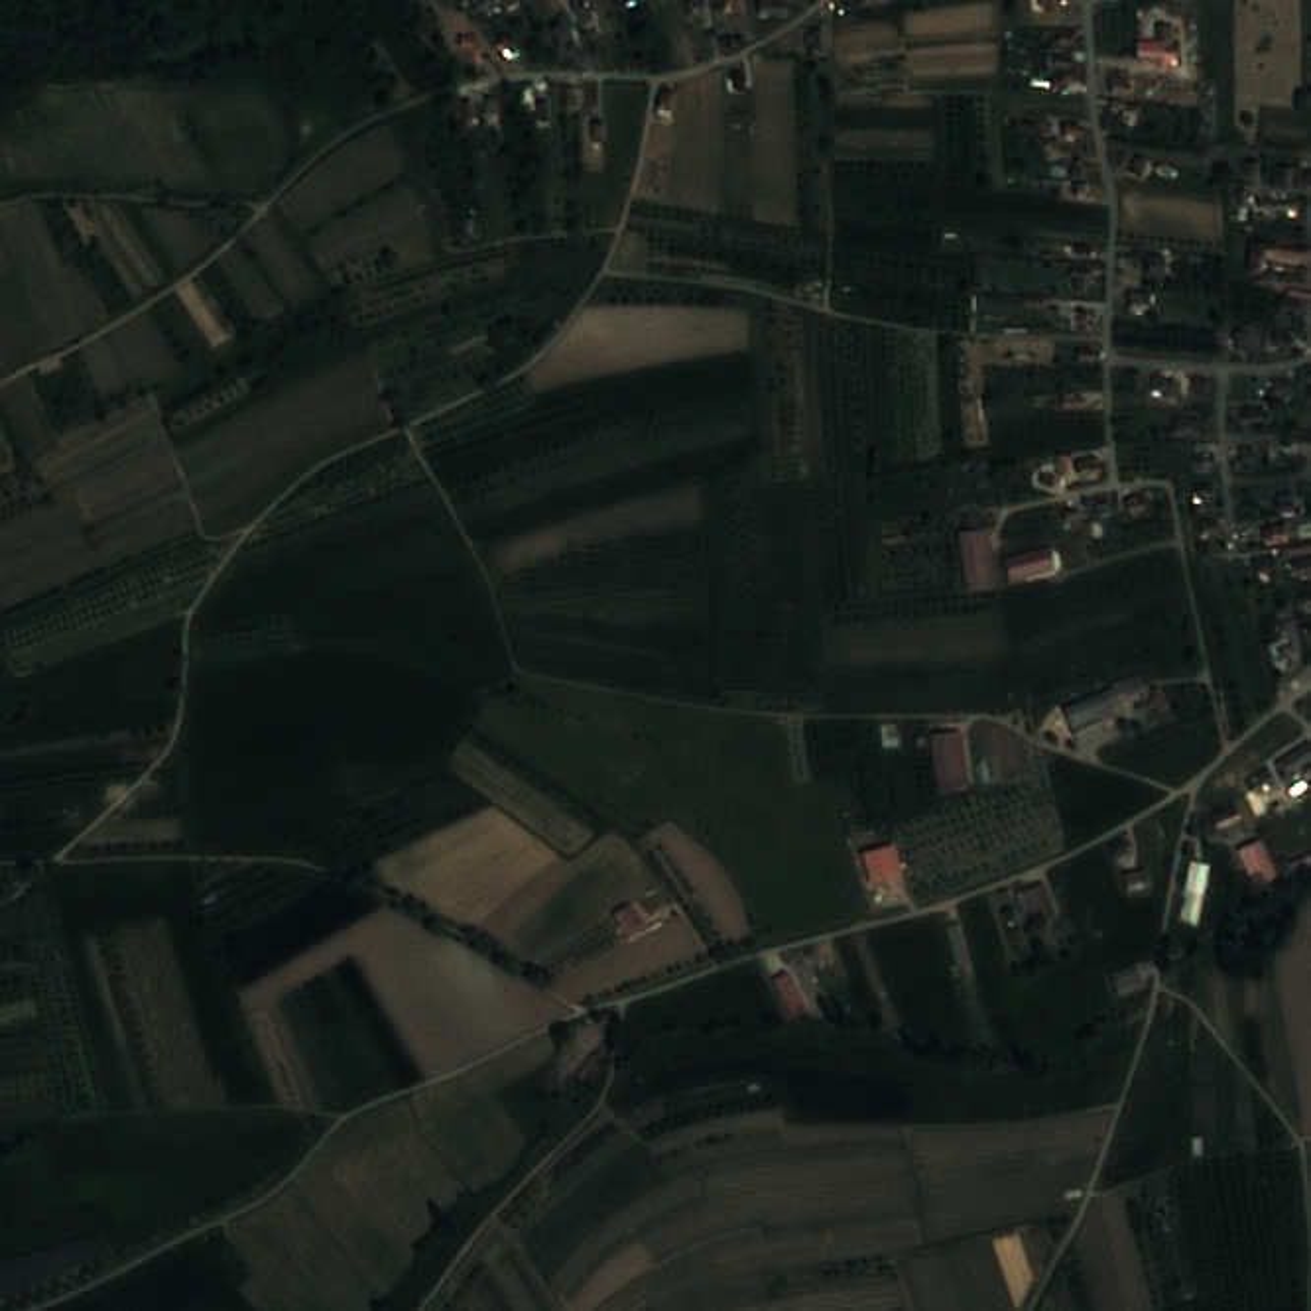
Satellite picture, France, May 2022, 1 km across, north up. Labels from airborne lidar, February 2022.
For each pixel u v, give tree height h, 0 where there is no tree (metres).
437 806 0
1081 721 0
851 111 0
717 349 0
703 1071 0
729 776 0
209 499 0
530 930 0
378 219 0
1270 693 0
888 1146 0
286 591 0
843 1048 0
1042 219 0
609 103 0
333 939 0
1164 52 0
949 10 0
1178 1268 0
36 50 18
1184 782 0
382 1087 0
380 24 0
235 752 0
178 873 0
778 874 0
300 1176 0
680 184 0
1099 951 0
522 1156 0
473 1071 0
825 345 0
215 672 0
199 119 0
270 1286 0
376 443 0
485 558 0
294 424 0
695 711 0
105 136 0
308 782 0
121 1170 0
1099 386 0
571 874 0
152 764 0
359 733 0
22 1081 0
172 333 5
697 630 0
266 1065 0
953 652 0
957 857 0
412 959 0
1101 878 0
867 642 0
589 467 0
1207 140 0
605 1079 0
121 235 6
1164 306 0
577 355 0
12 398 0
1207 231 0
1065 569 0
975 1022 0
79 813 0
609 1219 0
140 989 0
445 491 0
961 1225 0
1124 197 0
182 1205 0
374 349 0
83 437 0
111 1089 0
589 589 0
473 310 0
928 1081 0
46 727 0
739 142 0
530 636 0
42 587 0
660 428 0
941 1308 0
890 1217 0
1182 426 0
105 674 0
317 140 0
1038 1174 0
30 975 0
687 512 0
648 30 8
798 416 0
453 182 0
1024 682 0
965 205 0
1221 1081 0
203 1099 0
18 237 0
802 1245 0
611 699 0
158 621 0
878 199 0
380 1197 0
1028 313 0
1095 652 0
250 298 0
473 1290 0
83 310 0
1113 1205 0
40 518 0
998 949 0
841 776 0
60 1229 0
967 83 0
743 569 0
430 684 0
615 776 0
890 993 0
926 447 0
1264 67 0
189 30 21
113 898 0
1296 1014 0
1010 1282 0
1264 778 0
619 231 0
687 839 0
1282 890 18
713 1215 0
